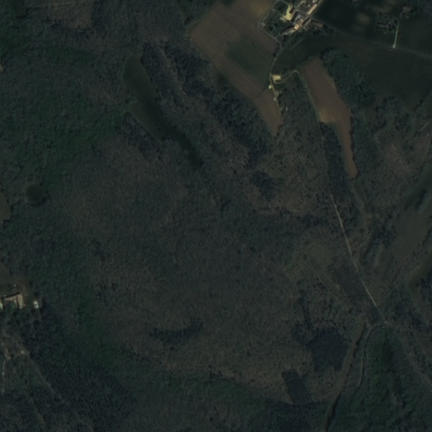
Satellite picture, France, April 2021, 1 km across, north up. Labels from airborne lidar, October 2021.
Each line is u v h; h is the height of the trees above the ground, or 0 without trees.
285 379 13
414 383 17
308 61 0
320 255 0
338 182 19
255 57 0
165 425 13
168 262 15
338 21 0
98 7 17
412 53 0
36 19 20
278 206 7
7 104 20
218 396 19
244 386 11
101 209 15
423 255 14
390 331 13
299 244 17
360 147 19
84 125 21
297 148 8
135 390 18
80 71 20
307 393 15
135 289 10
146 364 13
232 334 12
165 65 16
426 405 22
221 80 0
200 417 13
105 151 15
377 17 0
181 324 14
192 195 11
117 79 16
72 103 21
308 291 7
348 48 0
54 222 16
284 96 13
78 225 13
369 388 12
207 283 14
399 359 19
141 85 0
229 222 18
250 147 16
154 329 15
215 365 12
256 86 0
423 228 0
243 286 16
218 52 0
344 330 11
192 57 18
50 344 24
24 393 13
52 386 20
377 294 0
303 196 11
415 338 14
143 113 0
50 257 20
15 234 17
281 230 17
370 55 0
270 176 9
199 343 14
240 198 17
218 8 0
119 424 17
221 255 15
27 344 19
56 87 21
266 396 13
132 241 15
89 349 23
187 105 12
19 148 24
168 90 15
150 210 16
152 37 18
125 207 18
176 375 14
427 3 30
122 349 15
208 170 18
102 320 22
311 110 18
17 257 20
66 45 20
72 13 10
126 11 18
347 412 18
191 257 15
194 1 15
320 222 11
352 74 17
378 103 0
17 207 18
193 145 20
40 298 21
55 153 21
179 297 13
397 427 21
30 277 17
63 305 21
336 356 16
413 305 14
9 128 22
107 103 13
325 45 0
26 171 25
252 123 10
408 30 0
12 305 17
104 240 12
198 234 14
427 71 0
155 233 13
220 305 16
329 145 15
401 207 0
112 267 10
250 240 21
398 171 0
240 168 11
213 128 15
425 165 13
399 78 0
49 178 18
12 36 25
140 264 11
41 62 21
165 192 16
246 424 16
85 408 17
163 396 17
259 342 12
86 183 14
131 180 15
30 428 19
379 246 16
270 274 12
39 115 21
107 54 17
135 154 7
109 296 13
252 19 0
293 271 0
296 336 13
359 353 15
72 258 19
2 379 16
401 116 12
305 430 20
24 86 18
